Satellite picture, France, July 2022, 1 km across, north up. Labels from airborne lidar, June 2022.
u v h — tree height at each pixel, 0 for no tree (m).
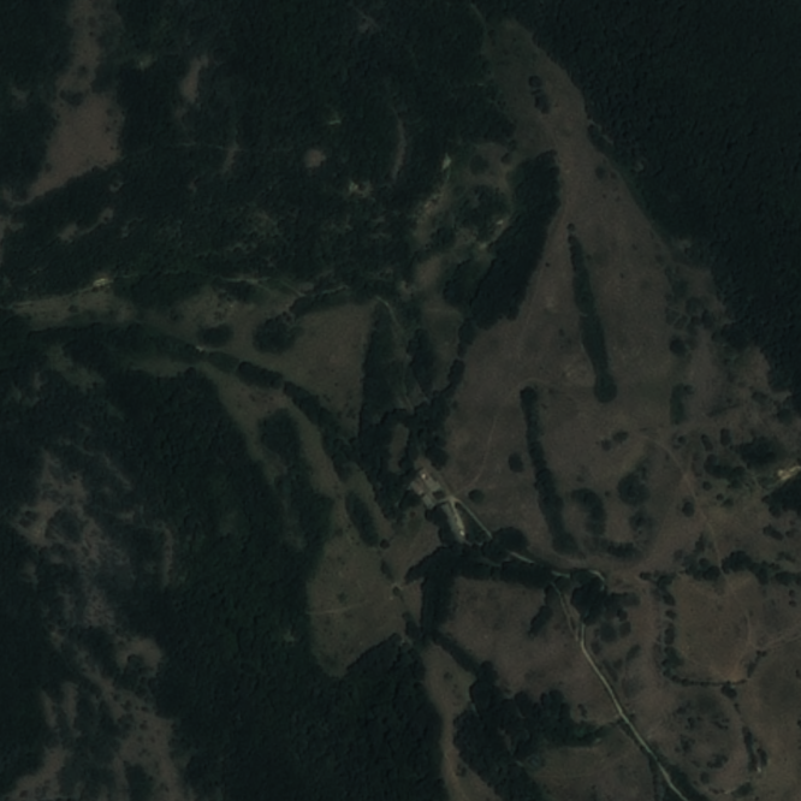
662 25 17
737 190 21
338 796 13
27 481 6
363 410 9
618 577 0
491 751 11
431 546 0
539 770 0
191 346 10
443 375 0
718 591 0
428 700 8
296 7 6
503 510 0
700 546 9
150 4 10
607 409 0
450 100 6
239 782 12
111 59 0
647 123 8
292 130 8
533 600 0
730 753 0
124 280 7
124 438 10
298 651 13
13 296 7
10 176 7
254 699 10
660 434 0
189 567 10
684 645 0
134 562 6
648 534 0
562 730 11
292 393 11
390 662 10
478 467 0
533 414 7
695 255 6
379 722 16
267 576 7
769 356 9
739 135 15
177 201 17
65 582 7
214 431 6
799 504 6
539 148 0
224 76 6
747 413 0
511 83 0
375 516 0
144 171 7
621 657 0
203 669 13
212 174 5
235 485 8
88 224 9
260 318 0
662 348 0
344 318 0
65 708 0
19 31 10
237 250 9
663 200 14
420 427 8
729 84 20
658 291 0
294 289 0
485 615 0
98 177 8
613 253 0
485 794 0
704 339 0
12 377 8
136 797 8
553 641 0
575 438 0
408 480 12
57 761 0
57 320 0
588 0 19
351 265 10
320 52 12
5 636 13
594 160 0
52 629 7
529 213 7
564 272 0
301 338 0
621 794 0
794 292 12
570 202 0
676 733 0
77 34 0
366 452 13
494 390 0
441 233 14
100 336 12
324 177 13
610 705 0
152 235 10
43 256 12
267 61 8
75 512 0
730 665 0
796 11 11
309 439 0
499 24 6
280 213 13
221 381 0
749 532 0
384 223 7
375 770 12
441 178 6
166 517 9
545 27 13
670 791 8
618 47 16
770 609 0
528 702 13
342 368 0
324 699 15
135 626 8
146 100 10
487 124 11
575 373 0
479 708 13
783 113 18
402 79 9
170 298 6
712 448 6
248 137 9
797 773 0
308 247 7
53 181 0
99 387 10
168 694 10
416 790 13
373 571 0
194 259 7
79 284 10
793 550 0
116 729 8
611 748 0
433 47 9
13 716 13
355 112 9
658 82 19
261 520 13
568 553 0
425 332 9
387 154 7
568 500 0
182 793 0
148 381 11
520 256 13
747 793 7
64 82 0
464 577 10
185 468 18
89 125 0
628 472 0
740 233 13
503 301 12
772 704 0
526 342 0
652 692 0
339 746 19
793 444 0
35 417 5
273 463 0
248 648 15
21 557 9
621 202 0
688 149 14
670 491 0
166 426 15
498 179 0
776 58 22
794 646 0
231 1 12
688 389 6
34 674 9
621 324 0
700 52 17
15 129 6
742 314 11
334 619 0
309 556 8
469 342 10
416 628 11
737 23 19
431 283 0
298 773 7
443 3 8
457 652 11
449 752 0
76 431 7
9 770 15
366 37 8
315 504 14
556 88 0
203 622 15
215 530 8
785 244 23
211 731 6
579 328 0
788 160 20
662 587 7
